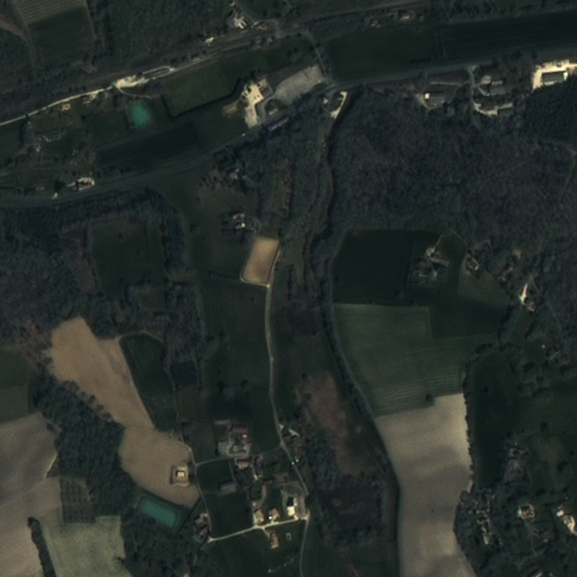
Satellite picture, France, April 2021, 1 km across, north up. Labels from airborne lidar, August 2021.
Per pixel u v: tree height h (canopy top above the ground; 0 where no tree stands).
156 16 22
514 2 0
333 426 0
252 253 0
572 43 0
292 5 19
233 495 0
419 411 0
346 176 25
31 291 18
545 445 0
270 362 0
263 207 21
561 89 16
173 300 10
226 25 11
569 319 24
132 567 0
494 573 8
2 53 14
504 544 5
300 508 0
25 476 0
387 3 13
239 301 0
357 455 0
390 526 0
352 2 24
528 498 14
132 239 0
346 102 0
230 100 8
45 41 0
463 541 12
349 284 0
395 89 0
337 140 22
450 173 18
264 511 0
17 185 0
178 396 0
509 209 26
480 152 20
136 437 0
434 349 0
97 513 7
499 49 0
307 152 24
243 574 0
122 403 0
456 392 0
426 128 23
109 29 16
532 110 16
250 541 0
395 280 0
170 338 17
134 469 0
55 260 22
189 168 0
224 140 0
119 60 14
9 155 0
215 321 0
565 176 24
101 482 18
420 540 0
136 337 0
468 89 6
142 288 15
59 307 15
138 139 0
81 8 0
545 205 20
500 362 0
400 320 0
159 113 0
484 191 19
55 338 0
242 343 0
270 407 0
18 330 18
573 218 20
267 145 27
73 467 21
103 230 0
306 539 0
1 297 20
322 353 0
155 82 8
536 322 14
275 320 0
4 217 13
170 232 26
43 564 14
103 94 7
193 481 18
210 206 0
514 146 21
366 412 12
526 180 16
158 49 18
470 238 22
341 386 0
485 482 0
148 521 11
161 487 0
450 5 20
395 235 0
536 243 24
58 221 12
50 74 19
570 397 0
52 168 0
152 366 0
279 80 0
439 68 0
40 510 0
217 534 0
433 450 0
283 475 0
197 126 0
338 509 6
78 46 0
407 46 0
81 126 0
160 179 0
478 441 0
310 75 0
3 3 19
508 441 10
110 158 0
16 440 0
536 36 0
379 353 0
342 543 16
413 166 24
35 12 0
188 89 0
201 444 0
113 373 0
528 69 24
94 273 10
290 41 11
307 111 18
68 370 0
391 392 0
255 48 12
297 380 0
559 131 18
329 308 16
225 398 12
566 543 10
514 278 17
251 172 0
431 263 0
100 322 24
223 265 0
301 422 9
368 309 0
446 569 0
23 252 20
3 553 0
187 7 22
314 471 14
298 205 16
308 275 8
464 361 0
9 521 0
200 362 16
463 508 12
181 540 11
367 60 0
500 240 15
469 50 0
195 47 19
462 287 0
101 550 0
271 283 0
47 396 13
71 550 0
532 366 10
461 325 0
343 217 30
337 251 12
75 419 25
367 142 16
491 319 0
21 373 0
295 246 0
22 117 16
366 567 0
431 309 0
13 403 0
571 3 7
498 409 0
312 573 0
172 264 24
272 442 0
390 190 11
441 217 23
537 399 15
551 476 0
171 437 0
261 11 0
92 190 0
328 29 24
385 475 0
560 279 15
